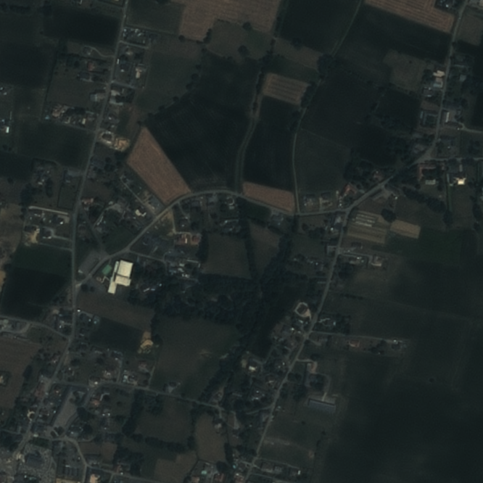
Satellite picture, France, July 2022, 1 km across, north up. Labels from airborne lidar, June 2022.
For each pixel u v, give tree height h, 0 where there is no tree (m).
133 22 0
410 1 0
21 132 0
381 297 0
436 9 0
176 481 0
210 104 0
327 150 0
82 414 21
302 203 0
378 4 0
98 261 0
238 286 18
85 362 0
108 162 13
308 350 0
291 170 0
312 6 0
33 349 0
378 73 0
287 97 0
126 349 0
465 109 8
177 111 0
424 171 13
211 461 0
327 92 0
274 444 0
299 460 0
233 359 20
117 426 0
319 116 0
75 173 0
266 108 0
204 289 18
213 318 20
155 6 0
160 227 0
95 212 9
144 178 0
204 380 0
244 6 0
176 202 0
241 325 21
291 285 14
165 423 0
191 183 0
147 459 0
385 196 0
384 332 0
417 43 0
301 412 0
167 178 0
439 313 0
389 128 13
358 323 0
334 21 0
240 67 0
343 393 0
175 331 0
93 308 0
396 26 0
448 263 0
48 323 0
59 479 0
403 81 0
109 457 0
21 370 0
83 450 0
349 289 0
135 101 0
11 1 0
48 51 0
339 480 0
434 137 9
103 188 0
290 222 17
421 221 0
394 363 0
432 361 0
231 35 0
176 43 0
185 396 9
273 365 12
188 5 0
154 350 0
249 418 8
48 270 0
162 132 0
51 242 0
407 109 0
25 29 0
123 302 0
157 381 0
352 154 7
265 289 17
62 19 0
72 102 0
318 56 0
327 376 0
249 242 9
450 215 17
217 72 0
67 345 0
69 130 0
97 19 0
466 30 0
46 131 0
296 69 0
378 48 0
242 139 0
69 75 0
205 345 0
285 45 0
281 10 0
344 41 0
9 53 0
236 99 0
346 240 0
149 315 0
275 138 0
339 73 0
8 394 0
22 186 0
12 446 7
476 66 0
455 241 0
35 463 0
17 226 0
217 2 0
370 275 0
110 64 0
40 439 6
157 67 0
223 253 0
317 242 0
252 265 11
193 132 0
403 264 0
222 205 6
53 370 0
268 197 0
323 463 0
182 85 0
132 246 0
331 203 0
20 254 0
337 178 0
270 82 0
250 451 8
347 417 0
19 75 0
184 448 15
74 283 0
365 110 0
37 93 0
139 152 0
